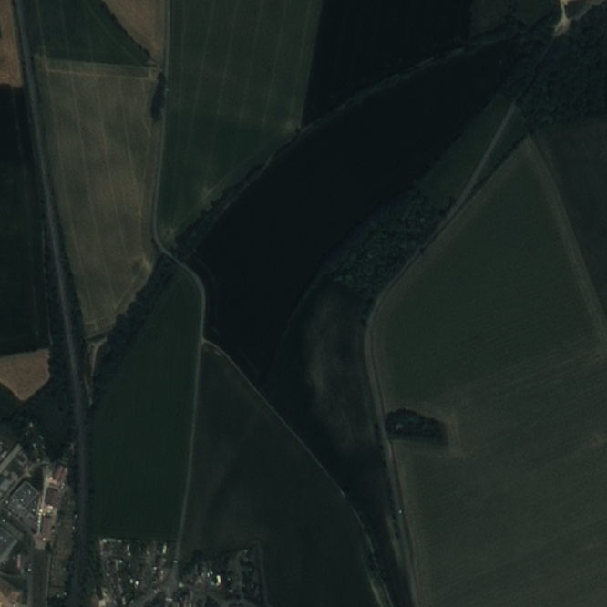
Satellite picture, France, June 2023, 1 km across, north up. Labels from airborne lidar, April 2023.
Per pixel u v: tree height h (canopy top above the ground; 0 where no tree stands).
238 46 0
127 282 0
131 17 0
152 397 0
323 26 0
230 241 0
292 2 0
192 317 0
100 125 0
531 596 0
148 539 0
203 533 0
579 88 27
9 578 0
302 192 0
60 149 0
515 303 0
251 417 0
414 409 0
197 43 0
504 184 0
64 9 0
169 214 0
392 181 0
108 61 0
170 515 0
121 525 0
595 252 0
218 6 0
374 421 0
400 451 0
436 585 0
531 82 20
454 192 0
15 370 0
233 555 0
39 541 0
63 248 9
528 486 0
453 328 0
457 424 0
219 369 0
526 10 0
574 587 0
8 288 0
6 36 0
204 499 0
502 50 0
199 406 0
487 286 0
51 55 0
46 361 0
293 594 0
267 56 0
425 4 0
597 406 0
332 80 0
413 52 0
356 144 0
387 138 0
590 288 0
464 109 0
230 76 0
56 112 0
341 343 0
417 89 0
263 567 0
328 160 0
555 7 8
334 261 16
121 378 0
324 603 0
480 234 0
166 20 0
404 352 0
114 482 0
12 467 0
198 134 0
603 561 0
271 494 0
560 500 0
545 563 0
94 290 0
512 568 0
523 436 0
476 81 0
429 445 0
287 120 0
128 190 0
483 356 0
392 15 0
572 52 21
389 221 25
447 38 0
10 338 0
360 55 0
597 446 0
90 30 0
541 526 0
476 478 0
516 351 0
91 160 0
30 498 0
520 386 0
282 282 0
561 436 0
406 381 0
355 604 0
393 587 0
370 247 16
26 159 0
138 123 0
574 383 0
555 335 0
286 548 0
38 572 0
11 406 0
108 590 0
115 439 0
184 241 17
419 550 0
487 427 0
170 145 0
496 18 0
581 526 0
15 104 0
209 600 10
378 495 0
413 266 0
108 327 0
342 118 0
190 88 0
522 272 0
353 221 0
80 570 0
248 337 0
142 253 0
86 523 0
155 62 0
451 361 0
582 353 0
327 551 0
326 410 0
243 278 0
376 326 0
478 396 0
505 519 0
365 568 0
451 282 0
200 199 0
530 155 0
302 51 0
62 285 0
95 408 6
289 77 0
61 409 9
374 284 14
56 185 0
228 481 0
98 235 0
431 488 0
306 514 0
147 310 13
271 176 0
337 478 0
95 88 0
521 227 0
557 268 0
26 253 0
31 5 0
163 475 0
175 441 0
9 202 0
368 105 0
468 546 0
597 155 0
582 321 0
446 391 0
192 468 0
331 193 0
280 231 0
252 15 0
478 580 0
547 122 16
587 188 0
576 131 0
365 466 0
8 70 0
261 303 0
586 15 6
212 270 0
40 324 0
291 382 0
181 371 0
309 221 0
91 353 0
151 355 0
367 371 0
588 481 0
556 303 0
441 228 0
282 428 0
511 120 0
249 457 0
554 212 0
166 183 0
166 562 0
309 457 0
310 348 0
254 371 0
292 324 0
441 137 0
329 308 0
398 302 0
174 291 0
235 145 0
